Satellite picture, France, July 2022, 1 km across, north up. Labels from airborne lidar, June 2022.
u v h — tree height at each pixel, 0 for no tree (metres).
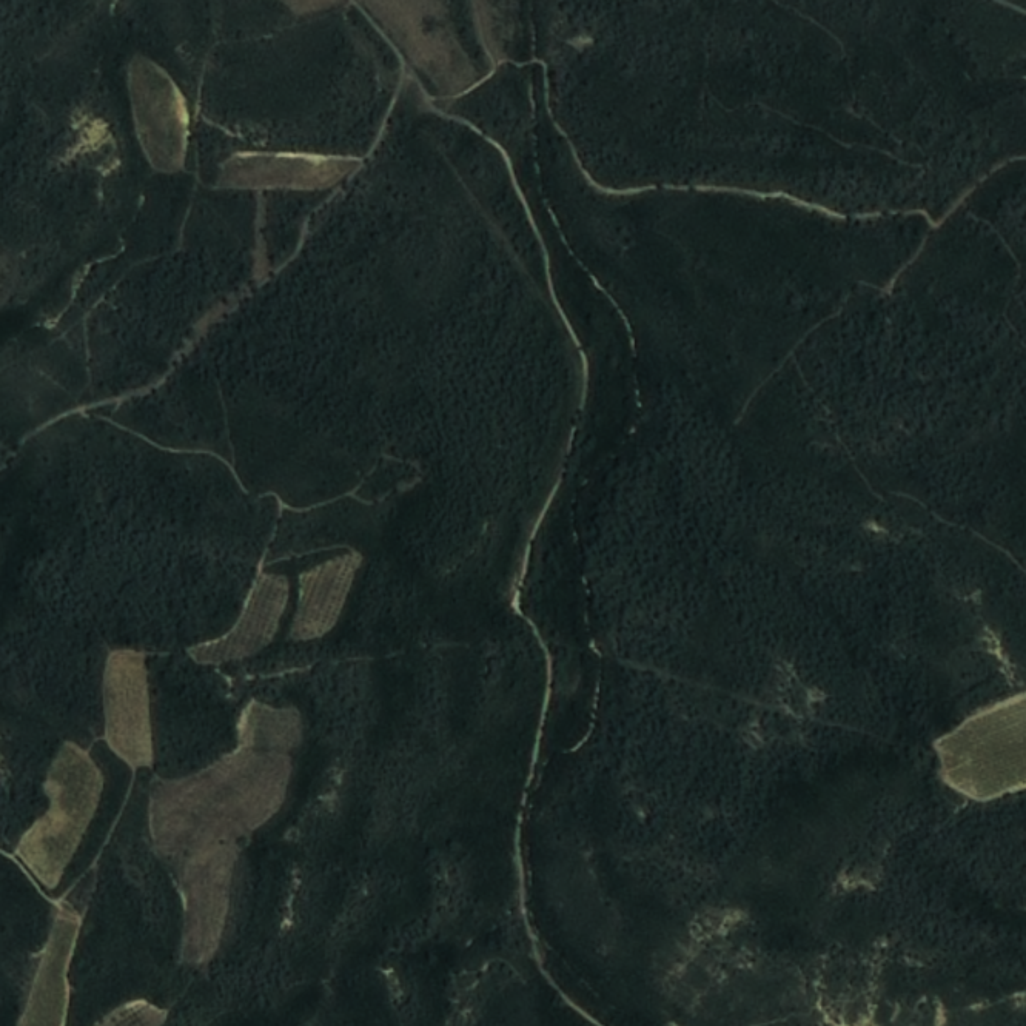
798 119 7
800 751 10
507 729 6
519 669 9
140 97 0
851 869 7
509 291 10
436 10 0
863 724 13
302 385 9
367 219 10
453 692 7
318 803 7
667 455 15
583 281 7
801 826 7
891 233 6
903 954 8
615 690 13
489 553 8
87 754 0
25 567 11
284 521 11
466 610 5
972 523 6
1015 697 0
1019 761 0
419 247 7
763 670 9
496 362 12
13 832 11
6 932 9
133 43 8
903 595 12
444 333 14
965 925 16
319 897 7
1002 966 10
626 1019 8
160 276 12
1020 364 11
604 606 14
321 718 8
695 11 11
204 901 0
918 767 10
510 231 13
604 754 14
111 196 7
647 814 6
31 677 6
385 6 0
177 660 15
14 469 11
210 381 11
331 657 11
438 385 16
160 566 13
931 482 10
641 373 6
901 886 8
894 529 6
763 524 12
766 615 14
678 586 11
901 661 7
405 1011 12
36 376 0
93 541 9
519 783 7
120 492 11
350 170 0
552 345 14
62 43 0
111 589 13
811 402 7
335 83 9
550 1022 6
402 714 6
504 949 10
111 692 0
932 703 7
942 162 8
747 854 8
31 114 10
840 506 9
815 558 13
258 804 0
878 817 8
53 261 8
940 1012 0
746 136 8
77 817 0
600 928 0
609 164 6
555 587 9
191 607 13
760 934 7
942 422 11
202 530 7
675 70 8
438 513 12
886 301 11
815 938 6
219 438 8
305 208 12
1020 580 11
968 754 0
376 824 8
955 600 6
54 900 0
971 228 7
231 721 7
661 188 12
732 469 12
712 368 9
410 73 0
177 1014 9
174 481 10
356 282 12
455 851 13
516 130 14
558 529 8
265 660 10
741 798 10
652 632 11
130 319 6
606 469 12
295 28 0
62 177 10
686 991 0
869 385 13
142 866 7
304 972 7
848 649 8
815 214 8
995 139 8
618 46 7
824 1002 0
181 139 0
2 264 0
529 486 11
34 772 8
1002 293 7
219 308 0
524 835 8
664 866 8
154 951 6
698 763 11
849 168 6
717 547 18
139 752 0
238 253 10
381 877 11
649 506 13
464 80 0
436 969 5
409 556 11
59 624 11
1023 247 7
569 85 10
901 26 8
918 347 14
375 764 10
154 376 8
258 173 0
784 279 9
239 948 8
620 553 14
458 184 0
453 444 13
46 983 0
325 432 7
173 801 0
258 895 8
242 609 13
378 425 11
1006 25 0
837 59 7
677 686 12
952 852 12
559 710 11
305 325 10
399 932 15
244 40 8
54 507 11
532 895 7
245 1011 7
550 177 6
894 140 8
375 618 8
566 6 16
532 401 9
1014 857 11
